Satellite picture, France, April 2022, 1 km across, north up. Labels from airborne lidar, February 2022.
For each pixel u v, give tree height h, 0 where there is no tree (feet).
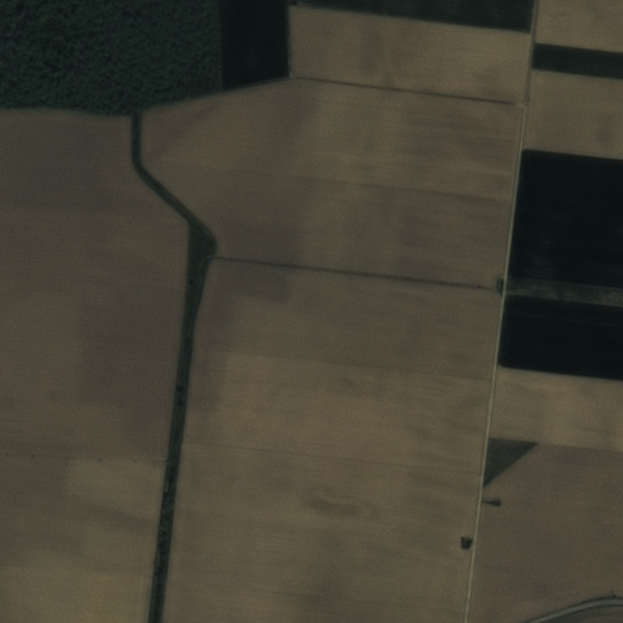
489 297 0
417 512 0
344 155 0
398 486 0
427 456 0
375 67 0
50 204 0
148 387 0
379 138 0
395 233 0
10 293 0
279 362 0
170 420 0
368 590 0
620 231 0
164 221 0
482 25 0
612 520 0
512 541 0
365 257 0
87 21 38
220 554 0
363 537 0
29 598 0
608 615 0
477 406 0
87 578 0
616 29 0
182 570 0
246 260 0
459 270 0
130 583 0
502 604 0
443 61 0
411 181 0
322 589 0
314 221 0
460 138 0
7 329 0
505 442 0
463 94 0
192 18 34
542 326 0
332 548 0
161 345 0
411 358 0
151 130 0
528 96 0
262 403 0
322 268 0
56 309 0
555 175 0
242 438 0
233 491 0
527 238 0
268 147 0
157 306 0
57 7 22
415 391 0
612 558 0
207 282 0
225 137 0
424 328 0
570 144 0
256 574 0
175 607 0
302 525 0
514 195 0
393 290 0
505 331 0
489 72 0
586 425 0
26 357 0
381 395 0
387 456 0
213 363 0
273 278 0
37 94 37
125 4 47
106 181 0
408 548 0
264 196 0
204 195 0
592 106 0
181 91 30
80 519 0
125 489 0
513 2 0
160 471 0
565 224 0
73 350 0
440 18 0
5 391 0
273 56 0
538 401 0
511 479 0
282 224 0
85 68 69
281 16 0
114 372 0
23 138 0
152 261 0
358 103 0
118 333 0
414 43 0
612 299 0
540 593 0
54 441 0
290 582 0
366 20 0
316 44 0
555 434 0
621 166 0
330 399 0
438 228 0
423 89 0
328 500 0
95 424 0
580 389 0
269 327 0
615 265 0
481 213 0
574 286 0
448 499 0
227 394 0
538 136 0
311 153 0
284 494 0
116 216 0
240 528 0
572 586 0
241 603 0
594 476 0
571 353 0
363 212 0
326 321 0
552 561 0
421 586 0
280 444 0
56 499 0
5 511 0
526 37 0
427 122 0
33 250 0
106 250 0
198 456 0
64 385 0
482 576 0
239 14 0
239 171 0
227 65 0
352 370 0
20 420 0
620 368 0
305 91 0
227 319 0
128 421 0
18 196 0
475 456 0
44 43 30
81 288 0
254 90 0
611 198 0
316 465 0
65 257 0
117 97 51
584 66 0
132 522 0
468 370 0
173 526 0
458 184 0
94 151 0
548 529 0
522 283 0
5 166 0
